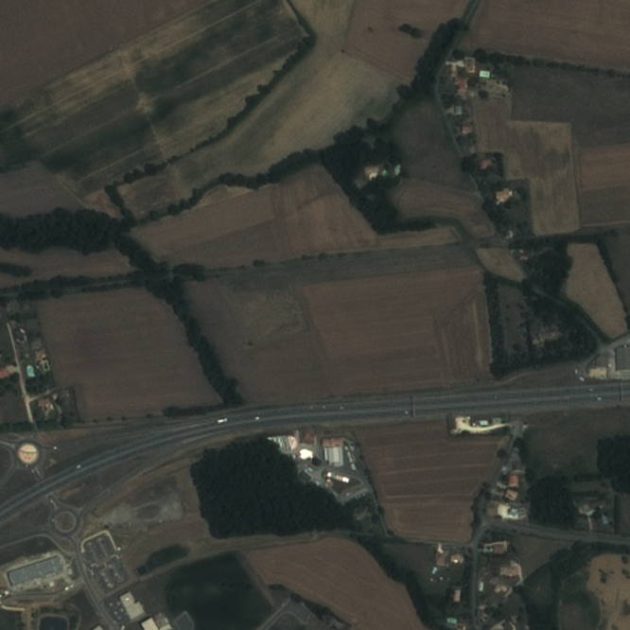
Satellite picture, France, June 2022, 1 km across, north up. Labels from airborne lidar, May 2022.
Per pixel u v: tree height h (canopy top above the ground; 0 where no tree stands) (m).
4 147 0
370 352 0
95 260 0
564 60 0
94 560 0
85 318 0
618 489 20
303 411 0
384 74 0
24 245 16
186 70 0
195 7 0
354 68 0
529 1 0
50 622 0
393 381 0
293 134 0
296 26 0
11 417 0
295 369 0
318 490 18
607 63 0
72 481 0
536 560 0
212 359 18
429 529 0
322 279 0
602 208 0
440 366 0
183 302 16
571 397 0
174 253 0
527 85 0
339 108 0
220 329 0
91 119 0
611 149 0
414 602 11
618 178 0
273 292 0
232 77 0
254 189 8
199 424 0
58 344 0
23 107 0
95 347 0
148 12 0
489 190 7
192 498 0
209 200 0
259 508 16
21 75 0
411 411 0
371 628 0
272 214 0
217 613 0
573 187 0
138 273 18
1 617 0
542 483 19
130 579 0
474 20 0
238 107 0
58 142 0
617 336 0
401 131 0
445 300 0
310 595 0
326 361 0
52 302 0
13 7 0
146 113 0
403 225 11
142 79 0
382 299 0
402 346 0
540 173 0
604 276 0
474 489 0
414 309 0
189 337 13
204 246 0
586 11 0
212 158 0
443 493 0
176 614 0
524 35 0
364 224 0
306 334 0
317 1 0
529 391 0
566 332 10
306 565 0
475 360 0
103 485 0
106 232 30
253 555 0
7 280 0
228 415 0
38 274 0
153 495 0
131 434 0
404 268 0
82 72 0
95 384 0
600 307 0
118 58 0
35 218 22
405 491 0
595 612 0
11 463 0
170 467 0
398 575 16
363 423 0
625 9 0
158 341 0
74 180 0
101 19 0
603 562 0
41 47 0
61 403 10
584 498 7
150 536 0
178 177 0
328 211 0
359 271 0
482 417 0
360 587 0
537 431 0
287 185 0
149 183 0
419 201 0
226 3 0
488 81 0
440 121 0
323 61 0
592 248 0
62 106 0
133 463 0
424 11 0
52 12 0
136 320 0
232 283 0
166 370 0
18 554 0
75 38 0
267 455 21
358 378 0
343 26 0
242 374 0
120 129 0
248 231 0
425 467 0
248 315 0
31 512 0
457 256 0
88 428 0
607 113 0
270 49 0
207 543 0
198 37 0
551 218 0
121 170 0
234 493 25
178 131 0
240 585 7
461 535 0
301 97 0
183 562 0
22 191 0
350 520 19
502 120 0
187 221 0
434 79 11
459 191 0
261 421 0
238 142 0
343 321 0
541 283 9
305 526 20
